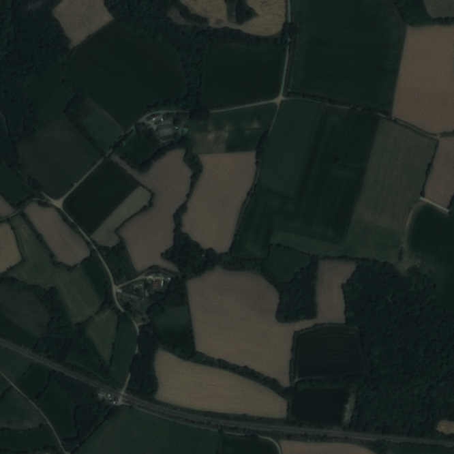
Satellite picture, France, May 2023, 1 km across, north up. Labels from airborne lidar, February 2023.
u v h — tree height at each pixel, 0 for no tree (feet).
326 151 0
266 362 0
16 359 0
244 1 38
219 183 0
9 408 0
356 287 51
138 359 41
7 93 67
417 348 54
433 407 65
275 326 0
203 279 0
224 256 54
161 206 0
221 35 59
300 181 0
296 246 0
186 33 26
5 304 0
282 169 0
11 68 40
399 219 0
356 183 0
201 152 0
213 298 0
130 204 0
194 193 0
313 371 0
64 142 0
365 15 0
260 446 0
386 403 31
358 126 0
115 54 0
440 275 0
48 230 0
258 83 0
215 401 0
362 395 27
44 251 0
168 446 0
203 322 0
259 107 0
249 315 0
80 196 0
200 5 0
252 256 0
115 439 0
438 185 0
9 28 36
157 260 0
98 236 0
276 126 0
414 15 60
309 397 0
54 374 46
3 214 0
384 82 0
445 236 0
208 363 27
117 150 47
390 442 25
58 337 31
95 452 0
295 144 0
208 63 0
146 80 0
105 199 0
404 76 0
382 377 58
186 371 0
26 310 0
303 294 36
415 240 0
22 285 24
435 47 0
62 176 0
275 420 0
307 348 0
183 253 42
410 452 0
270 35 0
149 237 0
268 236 0
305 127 0
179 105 61
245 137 0
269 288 0
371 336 65
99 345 0
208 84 0
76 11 0
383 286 49
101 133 0
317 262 35
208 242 0
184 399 0
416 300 41
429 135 0
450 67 0
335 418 0
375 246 0
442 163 0
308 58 0
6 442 0
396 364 53
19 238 0
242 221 0
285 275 0
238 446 0
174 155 0
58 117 0
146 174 0
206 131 0
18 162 24
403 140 0
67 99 0
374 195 0
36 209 0
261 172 0
